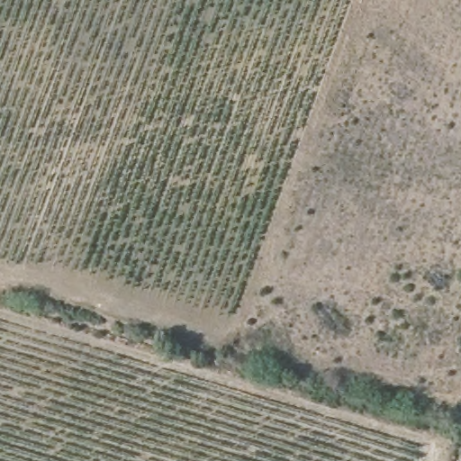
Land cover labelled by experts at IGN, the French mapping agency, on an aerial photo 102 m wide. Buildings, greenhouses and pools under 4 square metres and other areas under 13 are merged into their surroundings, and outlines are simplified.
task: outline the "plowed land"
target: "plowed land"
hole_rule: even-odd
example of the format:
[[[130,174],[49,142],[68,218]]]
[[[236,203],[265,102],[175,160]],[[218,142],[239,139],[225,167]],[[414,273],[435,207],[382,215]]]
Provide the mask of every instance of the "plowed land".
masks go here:
[[[203,340],[212,348],[221,348],[229,344],[236,333],[259,330],[270,321],[276,322],[277,326],[283,322],[294,322],[294,357],[299,362],[312,364],[313,369],[317,371],[324,367],[346,367],[357,373],[373,373],[387,384],[412,385],[418,389],[425,389],[425,394],[438,402],[454,405],[461,402],[461,0],[351,0],[348,13],[340,27],[339,38],[335,41],[331,56],[328,58],[326,74],[319,85],[310,85],[308,90],[315,92],[308,124],[292,133],[292,137],[299,140],[299,146],[292,158],[292,167],[286,176],[283,191],[279,194],[265,241],[261,243],[258,261],[250,274],[241,306],[234,315],[218,306],[198,308],[180,301],[176,303],[173,292],[160,288],[144,290],[140,286],[126,285],[126,277],[108,279],[108,274],[104,270],[99,270],[97,274],[90,274],[88,270],[72,270],[59,265],[58,258],[43,263],[9,263],[5,259],[0,259],[0,290],[13,286],[45,288],[52,297],[94,310],[103,315],[104,321],[112,324],[122,319],[135,319],[137,322],[149,322],[164,328],[185,326],[189,331],[200,333]]]
[[[0,317],[29,324],[29,330],[14,326],[13,331],[23,335],[34,337],[36,330],[45,330],[70,339],[83,340],[92,346],[101,346],[140,360],[155,362],[160,367],[171,367],[189,375],[198,375],[221,384],[241,387],[252,393],[267,394],[281,402],[303,405],[308,409],[324,412],[328,416],[355,421],[366,427],[384,430],[394,436],[418,441],[421,443],[421,452],[425,454],[423,461],[450,461],[454,445],[450,439],[439,436],[436,432],[409,429],[403,425],[376,420],[369,414],[330,407],[304,398],[290,389],[254,384],[230,371],[194,367],[189,360],[169,360],[166,355],[158,355],[155,351],[142,348],[140,344],[128,346],[122,344],[121,339],[99,339],[85,331],[72,330],[65,324],[43,319],[38,315],[22,315],[0,306]]]

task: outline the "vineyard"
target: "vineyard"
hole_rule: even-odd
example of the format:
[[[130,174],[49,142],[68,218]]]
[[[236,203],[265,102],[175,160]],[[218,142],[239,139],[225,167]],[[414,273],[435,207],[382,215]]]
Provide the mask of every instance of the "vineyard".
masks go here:
[[[97,274],[99,270],[104,270],[108,274],[108,279],[126,277],[126,285],[140,286],[144,290],[160,288],[173,292],[176,303],[180,301],[198,308],[218,306],[234,315],[241,306],[250,274],[258,261],[261,243],[265,241],[279,194],[283,191],[286,176],[292,167],[292,158],[299,146],[299,140],[292,137],[292,133],[308,124],[315,92],[308,90],[310,85],[319,85],[326,74],[328,58],[331,56],[335,41],[339,38],[340,27],[348,13],[351,0],[0,0],[0,259],[5,259],[9,263],[43,263],[58,258],[59,265],[72,270],[88,270],[90,274]]]
[[[409,429],[436,432],[439,436],[450,439],[454,445],[450,461],[461,461],[461,402],[454,405],[438,402],[425,394],[425,389],[418,389],[412,385],[387,384],[373,373],[357,373],[346,367],[324,367],[317,371],[313,369],[312,364],[299,362],[294,357],[294,322],[283,322],[277,326],[276,322],[270,321],[259,330],[236,333],[229,344],[221,348],[212,348],[203,340],[200,333],[189,331],[185,326],[164,328],[149,322],[137,322],[135,319],[122,319],[112,324],[104,321],[103,315],[94,310],[52,297],[45,288],[13,286],[0,290],[0,306],[22,315],[38,315],[43,319],[65,324],[72,330],[85,331],[99,339],[121,339],[122,344],[128,346],[140,344],[142,348],[155,351],[158,355],[166,355],[169,360],[189,360],[194,367],[230,371],[254,384],[290,389],[304,398],[330,407],[369,414],[376,420],[403,425]]]
[[[171,367],[160,367],[155,362],[140,360],[101,346],[92,346],[83,340],[70,339],[45,330],[36,330],[34,337],[23,335],[13,331],[14,326],[29,330],[29,324],[0,317],[0,461],[423,461],[425,454],[421,452],[421,443],[418,441],[394,436],[384,430],[366,427],[355,421],[328,416],[324,412],[308,409],[303,405],[281,402],[267,394],[252,393],[241,387],[221,384],[198,375],[189,375]]]

